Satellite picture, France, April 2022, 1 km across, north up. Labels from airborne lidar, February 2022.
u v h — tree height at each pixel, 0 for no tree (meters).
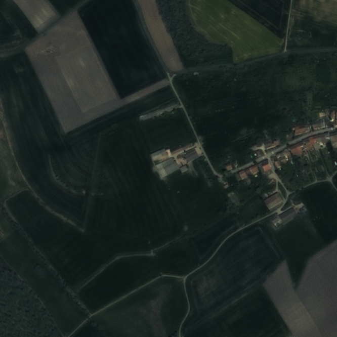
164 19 15
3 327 30
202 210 0
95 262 0
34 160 0
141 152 0
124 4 0
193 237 0
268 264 0
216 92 0
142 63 0
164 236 0
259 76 11
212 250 0
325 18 0
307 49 0
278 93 0
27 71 0
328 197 0
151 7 0
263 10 0
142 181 0
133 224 0
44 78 0
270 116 0
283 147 0
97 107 0
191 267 0
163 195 0
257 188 7
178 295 0
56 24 0
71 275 0
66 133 0
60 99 0
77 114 0
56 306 0
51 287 0
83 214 0
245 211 0
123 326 0
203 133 0
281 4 0
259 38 0
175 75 0
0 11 0
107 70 0
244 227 0
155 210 0
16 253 0
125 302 0
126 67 0
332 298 0
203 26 0
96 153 0
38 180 0
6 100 0
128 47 0
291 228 0
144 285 0
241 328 0
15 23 0
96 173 0
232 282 0
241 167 0
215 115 0
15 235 0
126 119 0
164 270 0
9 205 0
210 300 0
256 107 0
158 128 0
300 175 8
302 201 0
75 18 0
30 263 0
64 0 0
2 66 0
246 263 0
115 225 0
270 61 0
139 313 0
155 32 0
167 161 0
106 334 8
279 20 0
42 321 23
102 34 0
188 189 0
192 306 0
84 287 0
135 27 0
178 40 13
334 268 0
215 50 13
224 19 0
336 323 0
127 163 0
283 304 0
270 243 0
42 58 0
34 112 0
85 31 0
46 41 0
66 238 0
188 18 14
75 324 0
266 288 0
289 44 0
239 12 0
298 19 0
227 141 0
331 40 0
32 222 0
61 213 0
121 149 0
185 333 0
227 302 0
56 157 0
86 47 0
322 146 0
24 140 0
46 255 0
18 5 0
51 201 0
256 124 0
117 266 0
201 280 0
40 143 0
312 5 0
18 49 0
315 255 0
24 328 27
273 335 0
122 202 0
